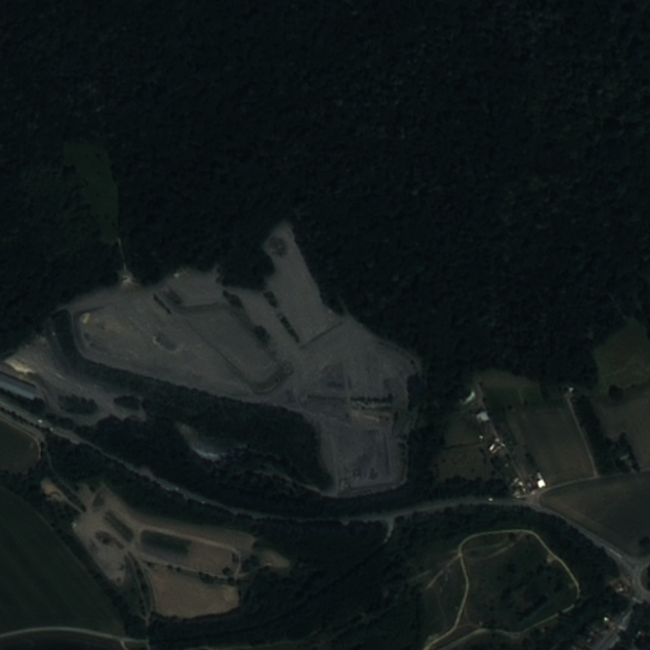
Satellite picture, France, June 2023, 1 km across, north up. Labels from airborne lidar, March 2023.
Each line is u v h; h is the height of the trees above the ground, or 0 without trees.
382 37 24
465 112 24
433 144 24
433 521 9
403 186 23
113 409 0
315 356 0
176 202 29
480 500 0
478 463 0
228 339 0
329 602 12
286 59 24
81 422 0
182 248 21
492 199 22
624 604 12
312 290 0
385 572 15
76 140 12
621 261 29
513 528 0
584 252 27
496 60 23
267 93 22
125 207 18
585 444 0
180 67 23
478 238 24
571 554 6
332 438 0
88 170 0
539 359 13
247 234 15
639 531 0
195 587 0
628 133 22
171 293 0
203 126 28
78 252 15
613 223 25
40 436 0
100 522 0
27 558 0
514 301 23
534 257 26
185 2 25
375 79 23
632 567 0
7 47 24
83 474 14
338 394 0
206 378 0
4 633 0
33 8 22
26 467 0
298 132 24
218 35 26
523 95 16
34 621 0
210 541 0
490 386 0
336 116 20
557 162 28
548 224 23
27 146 19
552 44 23
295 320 0
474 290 26
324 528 19
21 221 21
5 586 0
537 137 23
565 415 0
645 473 0
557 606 0
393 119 24
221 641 11
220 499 17
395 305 25
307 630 10
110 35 17
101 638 0
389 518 0
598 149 22
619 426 0
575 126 26
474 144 22
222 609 0
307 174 22
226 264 18
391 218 25
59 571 0
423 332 23
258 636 11
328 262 15
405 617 12
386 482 0
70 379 0
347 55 21
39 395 0
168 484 0
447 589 0
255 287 8
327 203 23
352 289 19
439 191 25
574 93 19
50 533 0
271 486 13
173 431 20
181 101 23
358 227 22
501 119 24
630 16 28
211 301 0
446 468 0
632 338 0
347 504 11
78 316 0
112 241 0
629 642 15
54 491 0
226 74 23
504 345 27
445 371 20
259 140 22
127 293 0
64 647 0
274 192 15
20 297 20
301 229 13
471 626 0
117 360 0
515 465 0
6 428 0
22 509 0
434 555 0
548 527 10
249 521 12
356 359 0
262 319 0
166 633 15
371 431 0
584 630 15
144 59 20
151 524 0
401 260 22
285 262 0
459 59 23
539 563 0
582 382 18
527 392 0
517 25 18
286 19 27
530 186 24
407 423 0
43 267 21
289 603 14
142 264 20
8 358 0
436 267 22
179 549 0
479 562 0
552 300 27
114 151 19
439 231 30
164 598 0
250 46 25
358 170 21
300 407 0
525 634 0
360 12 24
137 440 20
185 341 0
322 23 25
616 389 14
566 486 0
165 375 0
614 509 0
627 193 24
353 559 16
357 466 0
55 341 0
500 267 20
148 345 0
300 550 14
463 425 0
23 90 18
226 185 23
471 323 27
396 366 0
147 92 22
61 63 18
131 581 0
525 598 0
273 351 0
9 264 22
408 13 25
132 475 14
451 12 28
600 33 28
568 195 29
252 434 15
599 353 0
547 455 0
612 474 0
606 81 24
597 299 24
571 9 23
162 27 21
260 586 9
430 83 23
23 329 25
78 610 0
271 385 0
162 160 29
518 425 0
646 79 26
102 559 0
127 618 11
